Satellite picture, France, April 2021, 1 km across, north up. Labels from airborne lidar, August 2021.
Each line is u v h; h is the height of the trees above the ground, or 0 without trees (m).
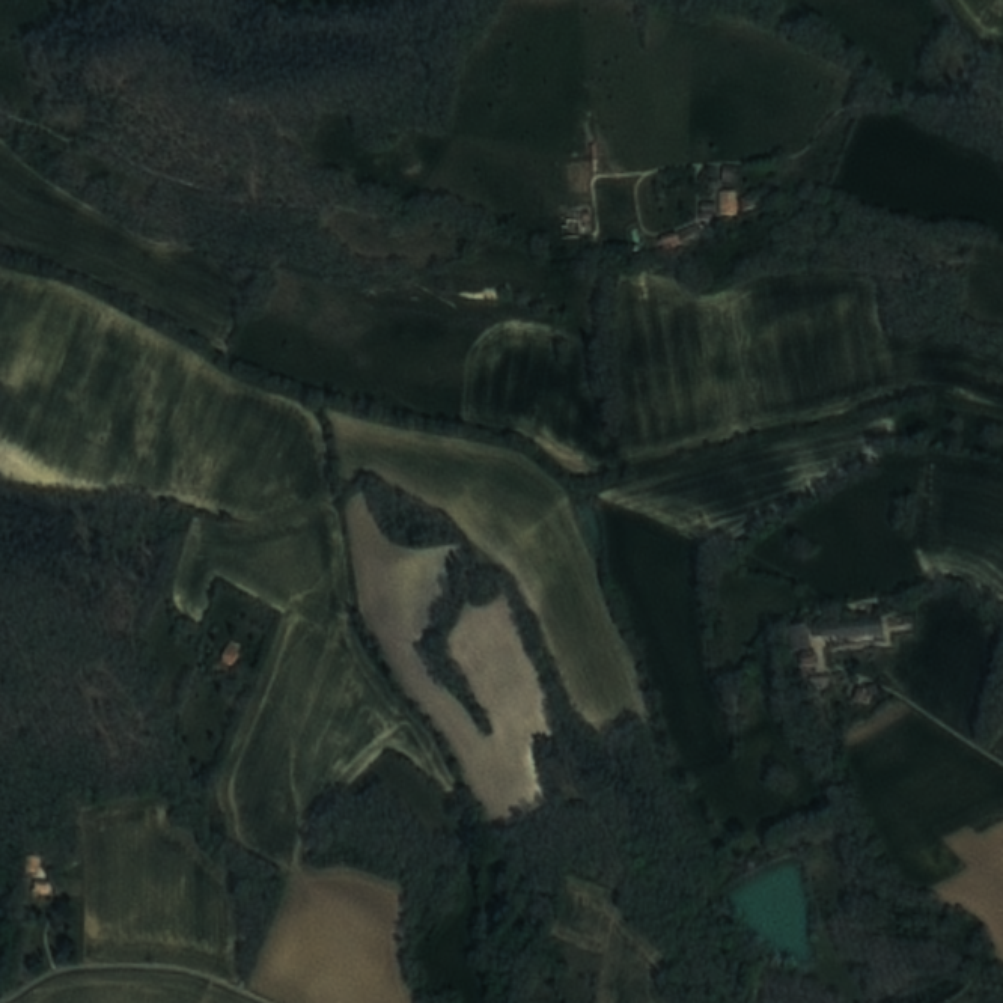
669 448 0
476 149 0
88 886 0
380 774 0
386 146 16
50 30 17
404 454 0
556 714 16
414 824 12
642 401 0
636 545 0
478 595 17
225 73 15
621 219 0
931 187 0
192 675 15
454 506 0
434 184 0
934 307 21
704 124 0
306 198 21
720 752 0
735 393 0
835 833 20
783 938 0
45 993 0
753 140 0
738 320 0
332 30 18
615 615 14
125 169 19
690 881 25
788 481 0
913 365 0
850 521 0
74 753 22
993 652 12
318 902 0
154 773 21
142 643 9
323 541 0
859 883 17
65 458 0
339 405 30
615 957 0
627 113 0
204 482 0
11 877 24
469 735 0
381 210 18
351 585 0
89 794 22
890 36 0
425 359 0
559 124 0
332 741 0
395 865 17
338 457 6
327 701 0
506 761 0
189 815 22
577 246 6
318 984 0
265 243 23
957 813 0
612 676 0
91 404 0
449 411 0
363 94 20
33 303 0
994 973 12
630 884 16
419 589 0
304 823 0
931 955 20
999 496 0
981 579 0
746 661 9
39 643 19
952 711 0
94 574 12
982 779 0
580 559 0
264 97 18
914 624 0
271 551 0
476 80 0
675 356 0
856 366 0
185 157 9
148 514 16
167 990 0
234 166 14
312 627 0
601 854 19
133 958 0
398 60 19
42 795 22
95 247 0
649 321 0
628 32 0
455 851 24
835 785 7
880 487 0
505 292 14
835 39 24
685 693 0
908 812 0
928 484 0
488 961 17
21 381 0
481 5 22
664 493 0
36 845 20
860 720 6
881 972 19
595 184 0
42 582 16
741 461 0
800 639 0
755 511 0
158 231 17
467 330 0
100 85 9
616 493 0
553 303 0
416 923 19
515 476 0
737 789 0
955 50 16
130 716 21
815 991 19
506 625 0
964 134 21
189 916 0
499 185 0
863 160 0
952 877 0
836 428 0
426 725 11
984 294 0
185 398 0
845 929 14
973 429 0
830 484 10
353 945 0
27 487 11
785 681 23
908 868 0
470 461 0
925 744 0
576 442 0
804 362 0
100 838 0
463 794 14
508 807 0
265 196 15
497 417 0
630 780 11
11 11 0
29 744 19
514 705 0
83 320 0
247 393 0
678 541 0
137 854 0
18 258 19
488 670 0
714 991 19
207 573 0
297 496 0
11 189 0
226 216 19
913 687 0
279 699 0
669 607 0
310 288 0
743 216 7
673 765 25
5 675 18
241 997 0
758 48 0
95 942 0
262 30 17
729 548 21
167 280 0
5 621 15
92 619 14
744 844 29
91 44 12
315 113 21
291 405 0
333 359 0
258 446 0
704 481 0
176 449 0
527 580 0
